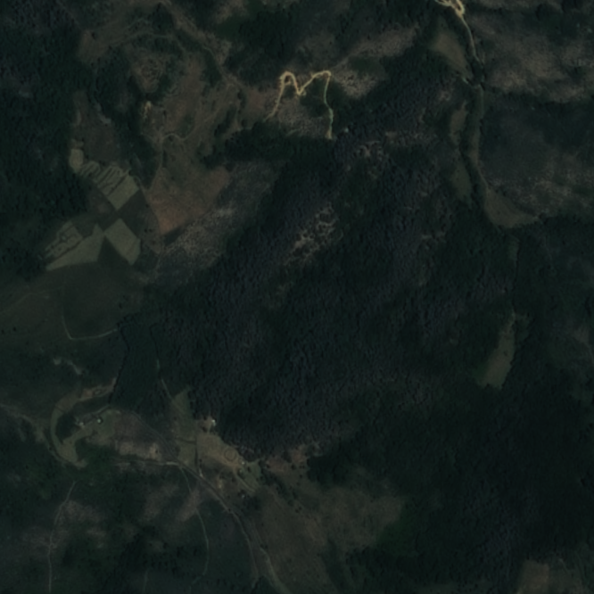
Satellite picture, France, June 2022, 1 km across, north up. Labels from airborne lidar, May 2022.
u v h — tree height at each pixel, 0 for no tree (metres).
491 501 15
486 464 27
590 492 21
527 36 0
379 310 20
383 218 19
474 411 19
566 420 21
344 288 22
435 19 12
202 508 0
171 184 0
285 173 16
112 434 0
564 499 23
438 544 21
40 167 14
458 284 12
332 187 15
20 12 15
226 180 0
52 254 0
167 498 0
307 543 0
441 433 16
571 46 0
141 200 0
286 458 7
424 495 6
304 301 24
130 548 16
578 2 15
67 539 0
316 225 10
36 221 0
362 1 13
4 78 12
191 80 0
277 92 0
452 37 0
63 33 7
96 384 0
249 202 0
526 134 0
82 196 8
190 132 0
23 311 0
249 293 15
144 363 16
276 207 24
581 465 28
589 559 10
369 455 9
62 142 12
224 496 0
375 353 13
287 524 0
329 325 13
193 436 0
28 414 0
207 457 0
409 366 16
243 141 12
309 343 10
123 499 7
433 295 16
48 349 0
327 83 0
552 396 25
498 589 10
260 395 26
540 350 23
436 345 22
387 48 0
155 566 11
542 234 7
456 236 15
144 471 0
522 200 0
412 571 17
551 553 9
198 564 0
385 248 17
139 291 0
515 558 13
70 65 8
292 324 26
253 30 16
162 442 0
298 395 18
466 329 14
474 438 18
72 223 0
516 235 7
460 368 17
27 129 10
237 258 17
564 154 0
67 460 0
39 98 12
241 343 13
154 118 0
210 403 10
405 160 24
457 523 11
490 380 0
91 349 0
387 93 21
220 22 0
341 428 7
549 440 25
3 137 19
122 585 8
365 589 9
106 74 8
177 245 0
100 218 0
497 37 0
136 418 0
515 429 20
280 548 0
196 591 0
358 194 12
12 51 12
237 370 12
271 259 13
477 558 10
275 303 6
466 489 23
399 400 9
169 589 0
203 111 0
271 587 7
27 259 8
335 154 20
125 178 0
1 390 0
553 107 19
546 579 0
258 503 7
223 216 0
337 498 0
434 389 11
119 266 0
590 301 11
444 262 19
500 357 0
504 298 11
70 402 0
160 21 11
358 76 0
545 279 11
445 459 14
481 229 15
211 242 0
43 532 0
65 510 0
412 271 15
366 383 16
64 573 0
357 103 17
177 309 9
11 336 0
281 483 9
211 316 21
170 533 0
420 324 26
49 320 0
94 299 0
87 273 0
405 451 12
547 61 0
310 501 0
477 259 13
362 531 0
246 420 14
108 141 0
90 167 0
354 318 12
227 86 0
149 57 0
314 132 0
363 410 14
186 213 0
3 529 0
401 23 9
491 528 8
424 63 15
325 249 9
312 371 17
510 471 29
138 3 0
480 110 0
